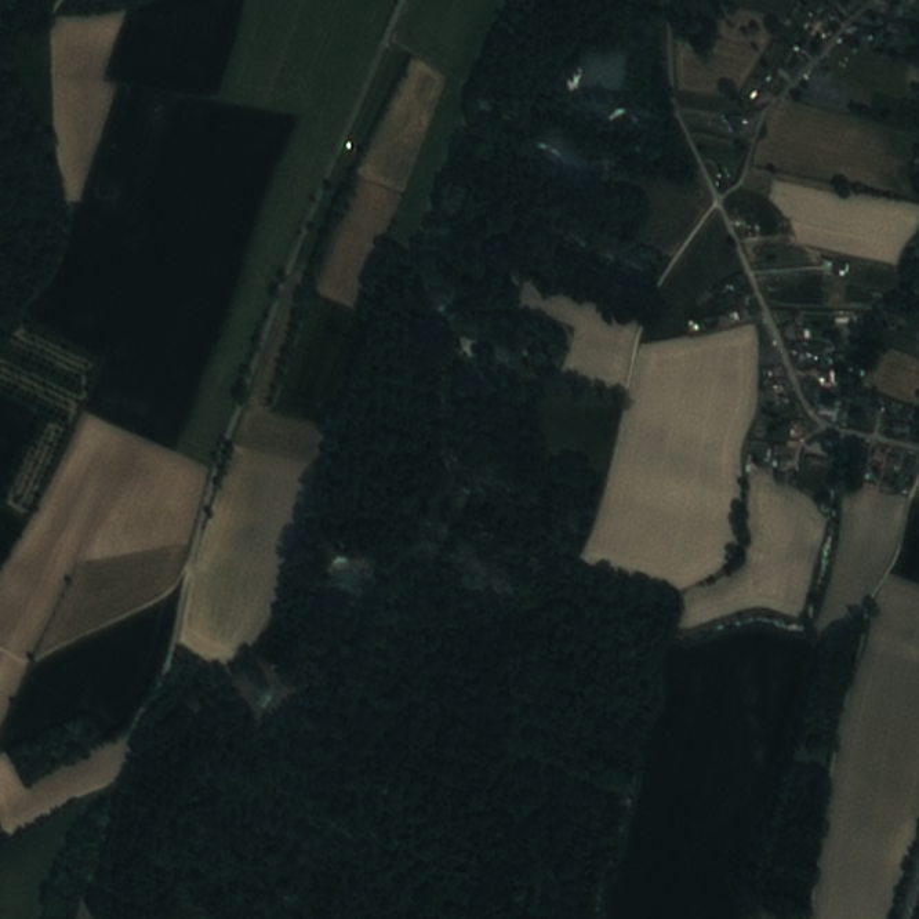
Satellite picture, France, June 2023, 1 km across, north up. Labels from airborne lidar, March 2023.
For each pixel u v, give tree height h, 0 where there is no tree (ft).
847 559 0
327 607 119
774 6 0
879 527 0
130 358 0
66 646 0
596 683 86
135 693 0
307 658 100
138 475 0
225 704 109
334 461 104
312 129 0
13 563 0
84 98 0
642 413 0
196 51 0
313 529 103
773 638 0
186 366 0
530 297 0
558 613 45
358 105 0
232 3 0
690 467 0
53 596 0
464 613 85
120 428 0
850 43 28
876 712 0
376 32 0
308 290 50
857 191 31
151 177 0
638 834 0
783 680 0
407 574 99
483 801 52
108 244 0
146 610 0
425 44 0
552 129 25
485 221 75
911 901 0
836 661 90
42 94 0
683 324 0
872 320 48
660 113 26
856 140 0
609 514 0
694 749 0
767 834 79
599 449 0
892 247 0
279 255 0
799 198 0
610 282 117
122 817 53
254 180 0
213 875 24
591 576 74
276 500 0
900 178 0
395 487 76
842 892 0
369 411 56
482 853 48
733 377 0
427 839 85
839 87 0
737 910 0
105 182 0
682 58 0
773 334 0
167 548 0
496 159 60
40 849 0
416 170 0
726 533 0
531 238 107
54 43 0
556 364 0
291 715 54
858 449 66
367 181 0
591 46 26
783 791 58
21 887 0
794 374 0
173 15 0
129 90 0
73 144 0
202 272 0
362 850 80
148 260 0
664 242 0
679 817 0
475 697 115
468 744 107
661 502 0
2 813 0
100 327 0
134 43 0
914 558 0
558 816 121
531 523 34
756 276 0
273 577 0
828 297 0
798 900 58
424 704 86
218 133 0
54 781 0
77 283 0
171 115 0
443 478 93
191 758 91
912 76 0
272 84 0
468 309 80
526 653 62
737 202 0
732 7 52
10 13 84
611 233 61
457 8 0
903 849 0
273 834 64
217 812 90
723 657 0
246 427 0
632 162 92
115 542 0
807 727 57
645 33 70
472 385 88
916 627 0
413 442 62
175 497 0
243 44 0
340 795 65
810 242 0
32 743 37
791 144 0
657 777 0
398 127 0
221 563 0
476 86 61
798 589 0
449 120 0
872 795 0
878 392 35
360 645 104
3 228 62
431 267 116
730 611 0
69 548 0
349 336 0
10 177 78
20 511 0
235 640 0
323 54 0
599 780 66
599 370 0
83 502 0
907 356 0
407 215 0
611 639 73
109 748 0
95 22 0
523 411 113
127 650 0
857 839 0
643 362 0
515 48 77
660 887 0
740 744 0
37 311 0
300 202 0
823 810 35
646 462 0
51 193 51
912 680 0
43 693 0
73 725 40
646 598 80
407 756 85
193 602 0
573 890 101
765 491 0
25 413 0
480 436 123
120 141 0
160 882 55
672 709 0
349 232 0
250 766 74
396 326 99
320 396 0
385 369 65
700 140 0
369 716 108
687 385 0
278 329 0
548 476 62
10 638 0
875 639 0
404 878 102
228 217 0
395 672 47
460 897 61
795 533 0
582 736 64
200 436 0
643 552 0
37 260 65
